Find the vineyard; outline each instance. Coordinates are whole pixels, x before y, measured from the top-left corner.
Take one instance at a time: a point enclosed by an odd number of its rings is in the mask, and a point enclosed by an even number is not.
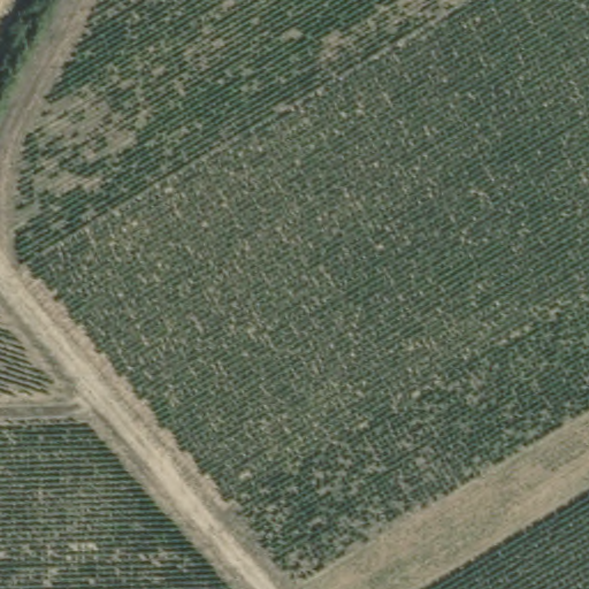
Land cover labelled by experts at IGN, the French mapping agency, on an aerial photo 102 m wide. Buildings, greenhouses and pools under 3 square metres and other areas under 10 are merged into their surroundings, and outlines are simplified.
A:
[[[511,534],[508,538],[492,545],[476,559],[446,573],[444,577],[430,582],[423,589],[589,589],[589,490],[573,497],[568,504],[559,506],[545,518],[531,522],[529,527]]]
[[[515,453],[518,446],[536,444],[552,430],[561,428],[564,419],[573,419],[580,414],[589,416],[589,0],[97,0],[97,5],[92,5],[87,14],[85,32],[71,51],[71,60],[62,64],[60,81],[51,87],[46,101],[41,104],[41,117],[37,122],[37,129],[32,129],[23,140],[23,159],[28,163],[18,170],[16,212],[32,207],[32,202],[39,202],[39,214],[32,216],[28,225],[16,230],[14,253],[16,262],[25,265],[35,278],[44,281],[46,288],[55,292],[55,301],[62,301],[67,306],[69,318],[85,329],[87,338],[94,343],[94,350],[108,357],[115,373],[129,380],[133,393],[140,400],[147,400],[159,426],[173,433],[179,451],[191,453],[202,474],[212,476],[219,495],[223,499],[239,504],[237,513],[246,518],[246,525],[251,529],[255,529],[260,545],[265,550],[271,550],[274,564],[281,571],[288,571],[295,580],[306,580],[322,571],[327,561],[345,557],[350,545],[368,543],[368,529],[373,522],[393,522],[396,518],[414,511],[414,506],[426,508],[439,495],[451,495],[458,485],[479,479],[483,467],[502,462],[506,456]]]
[[[51,380],[41,368],[28,361],[21,341],[12,331],[0,327],[0,393],[9,391],[9,384],[16,384],[21,391],[46,393]]]
[[[113,453],[106,446],[104,439],[99,439],[99,435],[87,423],[78,423],[76,419],[71,419],[62,423],[41,426],[0,426],[0,589],[232,589],[225,580],[219,577],[216,568],[207,561],[207,557],[182,534],[179,525],[173,522],[156,506],[156,502],[143,490],[143,485],[124,469],[117,453]]]

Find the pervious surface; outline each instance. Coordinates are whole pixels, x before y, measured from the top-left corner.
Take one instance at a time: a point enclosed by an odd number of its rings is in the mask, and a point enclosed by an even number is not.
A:
[[[274,582],[260,571],[260,566],[237,545],[235,536],[202,506],[196,492],[184,483],[179,472],[170,462],[170,456],[163,453],[152,442],[147,430],[129,416],[129,412],[99,382],[90,364],[85,364],[78,357],[78,352],[64,338],[64,334],[30,297],[21,278],[16,276],[16,262],[14,253],[9,255],[0,248],[0,292],[18,311],[23,322],[30,324],[39,341],[58,357],[64,370],[76,380],[76,387],[94,400],[94,407],[110,419],[110,423],[131,444],[131,449],[150,465],[154,476],[177,502],[177,508],[184,511],[193,520],[193,525],[202,529],[205,538],[209,538],[219,548],[221,557],[230,566],[235,566],[237,573],[253,589],[276,589]]]

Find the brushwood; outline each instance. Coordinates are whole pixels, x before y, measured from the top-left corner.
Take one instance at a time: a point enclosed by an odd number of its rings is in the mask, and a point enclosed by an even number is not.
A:
[[[53,12],[58,0],[0,0],[0,99],[5,97],[5,87],[14,85],[18,64],[25,62],[25,53],[35,46],[39,21]]]

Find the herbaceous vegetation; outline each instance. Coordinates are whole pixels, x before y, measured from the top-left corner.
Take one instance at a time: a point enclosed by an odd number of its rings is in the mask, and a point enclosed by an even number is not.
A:
[[[193,525],[193,520],[184,511],[177,508],[177,502],[154,476],[150,465],[131,449],[131,444],[110,423],[110,419],[94,407],[94,400],[76,387],[76,380],[64,370],[58,357],[39,341],[30,324],[23,322],[18,311],[0,292],[0,327],[12,331],[21,341],[28,361],[41,368],[51,380],[46,393],[21,391],[16,384],[9,384],[9,391],[0,393],[0,426],[41,426],[62,423],[71,419],[76,419],[78,423],[87,423],[99,435],[99,439],[104,439],[106,446],[113,453],[117,453],[124,469],[143,485],[143,490],[156,502],[156,506],[173,522],[179,525],[182,534],[207,557],[207,561],[216,568],[219,577],[225,580],[232,589],[253,589],[237,573],[235,566],[230,566],[221,557],[219,548],[209,538],[205,538],[202,529]]]
[[[16,262],[16,276],[21,278],[30,297],[64,334],[64,338],[78,352],[78,357],[85,364],[90,364],[99,382],[129,412],[129,416],[147,430],[152,442],[163,453],[170,456],[170,462],[179,472],[184,483],[196,492],[202,506],[235,536],[237,545],[260,566],[260,571],[274,582],[276,589],[423,589],[430,582],[444,577],[446,573],[476,559],[492,545],[508,538],[511,534],[529,527],[531,522],[545,518],[559,506],[568,504],[573,497],[589,490],[589,416],[580,414],[573,419],[564,419],[561,428],[552,430],[536,444],[518,446],[515,453],[506,456],[502,462],[483,467],[479,479],[458,485],[451,495],[439,495],[426,508],[414,506],[414,511],[396,518],[393,522],[373,522],[368,529],[368,543],[350,545],[345,557],[327,561],[322,571],[306,580],[295,580],[288,571],[281,571],[274,564],[271,550],[265,550],[260,545],[255,529],[251,529],[246,525],[246,518],[237,513],[239,504],[223,499],[219,495],[212,476],[202,474],[191,453],[179,451],[173,433],[159,426],[147,400],[140,400],[133,393],[129,380],[115,373],[108,357],[94,350],[94,343],[87,338],[85,329],[69,318],[67,306],[62,301],[55,301],[55,292],[46,288],[44,281],[35,278],[25,265]]]
[[[5,97],[0,99],[0,248],[9,255],[14,253],[16,230],[28,225],[32,216],[39,214],[39,202],[32,202],[32,207],[16,212],[18,170],[28,163],[23,159],[23,140],[32,129],[37,129],[37,122],[41,117],[41,104],[46,101],[51,87],[60,81],[62,64],[71,60],[71,51],[85,32],[87,14],[92,5],[97,5],[97,0],[58,0],[53,12],[39,21],[35,46],[25,53],[25,62],[18,64],[14,85],[5,87]]]

